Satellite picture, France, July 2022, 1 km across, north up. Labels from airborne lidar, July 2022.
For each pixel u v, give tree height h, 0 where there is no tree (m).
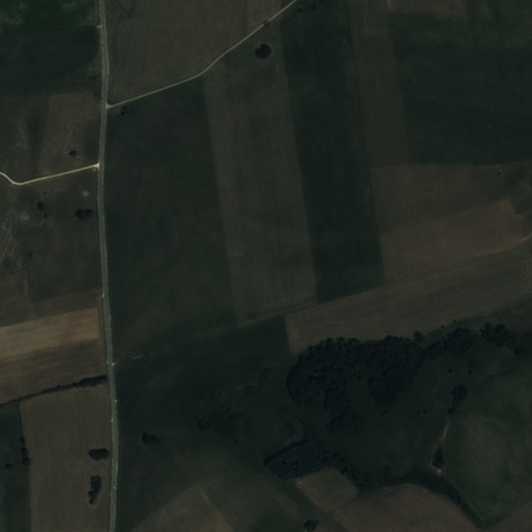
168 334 0
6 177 0
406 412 0
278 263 0
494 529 0
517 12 0
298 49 0
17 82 0
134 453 0
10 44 0
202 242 0
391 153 0
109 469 0
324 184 0
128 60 0
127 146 0
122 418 0
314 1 0
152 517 0
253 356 0
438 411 0
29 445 0
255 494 0
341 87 0
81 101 0
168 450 0
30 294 0
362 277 0
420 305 0
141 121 0
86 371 0
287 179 0
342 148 0
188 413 0
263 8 0
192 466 0
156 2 0
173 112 0
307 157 0
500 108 0
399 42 0
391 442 0
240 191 0
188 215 0
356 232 0
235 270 0
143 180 0
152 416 0
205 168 0
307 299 0
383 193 0
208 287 0
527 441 0
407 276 0
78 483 0
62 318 0
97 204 0
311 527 18
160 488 0
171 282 0
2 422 0
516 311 0
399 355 23
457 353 13
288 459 20
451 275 0
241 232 0
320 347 9
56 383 0
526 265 0
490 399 0
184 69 0
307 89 0
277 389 0
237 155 0
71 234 0
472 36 0
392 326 0
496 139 0
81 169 0
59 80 0
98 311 0
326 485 0
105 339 0
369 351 17
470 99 0
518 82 0
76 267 0
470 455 0
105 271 0
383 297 0
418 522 0
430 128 0
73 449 0
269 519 0
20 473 0
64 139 0
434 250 0
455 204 0
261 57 11
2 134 0
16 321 0
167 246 0
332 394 18
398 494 0
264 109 0
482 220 0
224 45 0
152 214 0
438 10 0
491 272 0
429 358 17
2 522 0
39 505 0
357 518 0
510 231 0
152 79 0
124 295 0
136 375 0
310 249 0
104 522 0
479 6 0
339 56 0
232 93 0
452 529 0
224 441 0
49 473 0
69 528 0
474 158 0
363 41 0
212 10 0
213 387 0
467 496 0
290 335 0
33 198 0
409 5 0
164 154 0
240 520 0
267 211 0
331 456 7
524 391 0
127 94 0
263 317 0
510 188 0
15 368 0
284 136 0
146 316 0
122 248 0
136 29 0
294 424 0
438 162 0
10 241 0
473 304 0
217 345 0
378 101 0
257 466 0
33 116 0
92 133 0
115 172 0
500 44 0
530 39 0
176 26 0
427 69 0
